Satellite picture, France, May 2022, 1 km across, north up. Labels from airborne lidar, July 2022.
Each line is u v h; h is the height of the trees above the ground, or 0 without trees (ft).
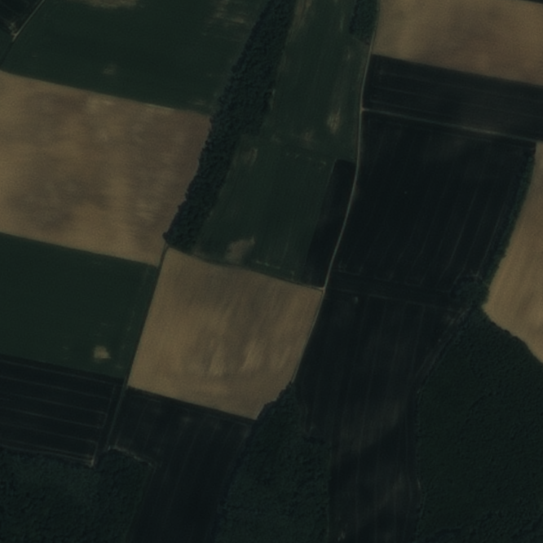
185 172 0
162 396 0
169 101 0
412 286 0
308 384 0
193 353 0
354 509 0
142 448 0
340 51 0
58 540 98
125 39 0
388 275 0
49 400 0
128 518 70
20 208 0
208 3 0
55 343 0
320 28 0
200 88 0
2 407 0
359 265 0
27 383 0
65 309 0
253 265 0
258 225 0
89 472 62
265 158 0
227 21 0
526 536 78
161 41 0
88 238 0
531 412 52
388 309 0
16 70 0
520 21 0
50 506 83
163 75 0
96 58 0
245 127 68
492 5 0
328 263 0
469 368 32
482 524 51
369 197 0
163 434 0
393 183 0
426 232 0
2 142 0
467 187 0
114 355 0
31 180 0
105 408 0
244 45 0
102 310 0
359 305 0
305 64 0
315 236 0
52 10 0
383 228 0
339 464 0
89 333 0
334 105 0
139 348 0
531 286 0
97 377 0
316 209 0
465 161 0
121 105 0
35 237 0
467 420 47
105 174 0
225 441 0
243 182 0
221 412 0
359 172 0
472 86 0
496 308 0
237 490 79
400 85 0
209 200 77
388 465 0
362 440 0
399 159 0
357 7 39
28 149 0
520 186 63
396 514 0
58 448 0
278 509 100
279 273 0
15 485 98
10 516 87
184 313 0
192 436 0
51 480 82
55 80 0
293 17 53
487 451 60
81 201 0
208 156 57
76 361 0
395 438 0
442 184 0
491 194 0
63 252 0
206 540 0
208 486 0
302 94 0
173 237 62
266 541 86
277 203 0
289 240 0
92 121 0
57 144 0
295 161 0
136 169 0
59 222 0
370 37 26
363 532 0
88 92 0
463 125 0
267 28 74
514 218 47
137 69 0
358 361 0
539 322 0
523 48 0
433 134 0
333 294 0
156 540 0
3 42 0
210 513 0
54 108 0
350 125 0
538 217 0
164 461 0
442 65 0
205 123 0
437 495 25
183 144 0
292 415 75
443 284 0
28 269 0
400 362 0
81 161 0
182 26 0
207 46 0
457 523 27
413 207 0
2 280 0
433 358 0
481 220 0
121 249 0
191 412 0
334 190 0
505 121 0
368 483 0
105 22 0
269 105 45
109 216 0
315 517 69
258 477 83
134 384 0
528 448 52
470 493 35
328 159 0
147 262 0
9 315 0
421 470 18
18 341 0
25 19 0
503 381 52
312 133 0
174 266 0
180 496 0
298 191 0
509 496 62
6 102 0
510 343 67
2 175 0
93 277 0
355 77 0
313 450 75
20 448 0
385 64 0
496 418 55
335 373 0
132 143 0
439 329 0
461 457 51
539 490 35
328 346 0
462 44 0
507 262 0
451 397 38
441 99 0
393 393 0
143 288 0
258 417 0
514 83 0
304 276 0
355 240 0
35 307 0
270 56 73
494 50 0
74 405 0
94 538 74
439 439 36
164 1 0
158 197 0
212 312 0
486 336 64
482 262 0
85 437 0
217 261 0
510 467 62
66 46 0
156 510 0
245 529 86
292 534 80
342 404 0
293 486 84
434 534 28
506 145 0
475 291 79
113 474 52
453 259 0
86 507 93
